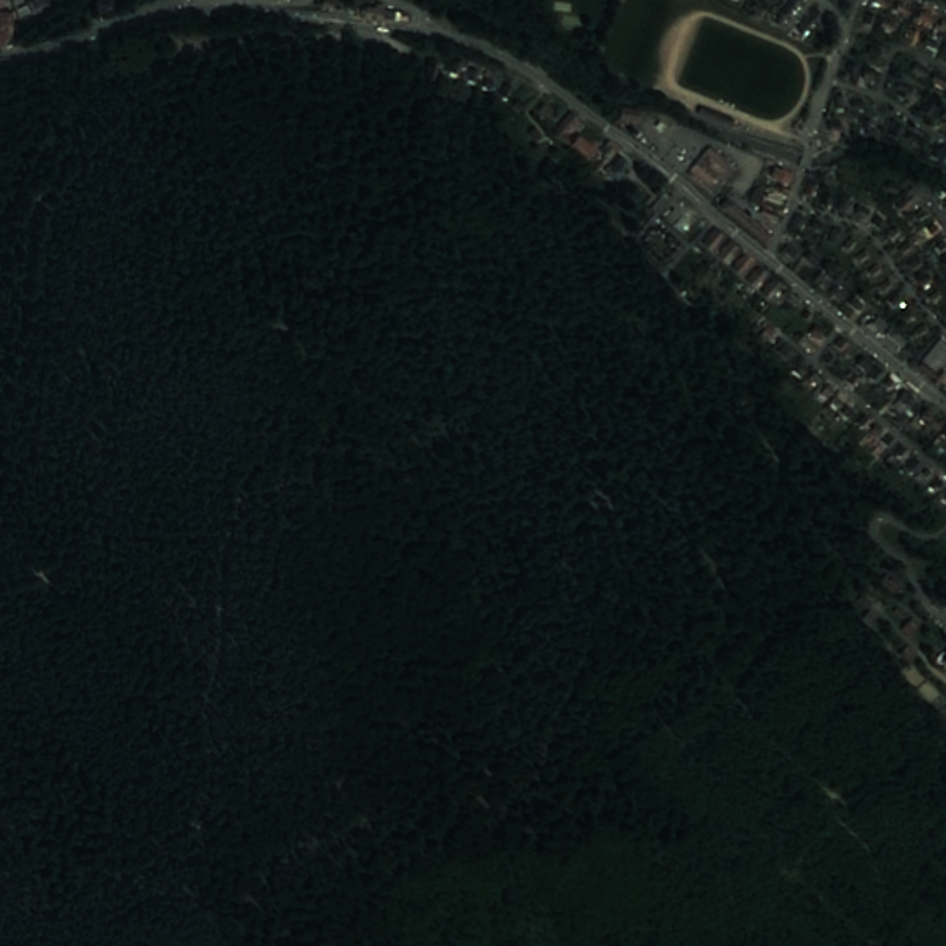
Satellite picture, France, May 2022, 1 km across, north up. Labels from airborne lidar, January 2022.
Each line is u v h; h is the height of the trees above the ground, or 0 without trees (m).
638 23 0
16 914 19
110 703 22
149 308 21
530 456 31
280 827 18
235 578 20
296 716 17
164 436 23
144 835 23
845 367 0
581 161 8
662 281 26
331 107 25
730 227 0
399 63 20
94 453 28
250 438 17
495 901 15
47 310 38
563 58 24
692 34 0
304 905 25
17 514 26
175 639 16
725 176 0
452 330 28
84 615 28
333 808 18
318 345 28
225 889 22
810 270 0
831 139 0
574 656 16
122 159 29
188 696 20
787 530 32
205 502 19
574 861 16
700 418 13
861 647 23
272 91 22
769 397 17
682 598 27
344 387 24
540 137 8
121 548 24
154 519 22
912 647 0
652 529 29
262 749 14
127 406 15
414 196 11
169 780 23
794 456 29
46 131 32
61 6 18
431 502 28
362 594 27
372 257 33
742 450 29
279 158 10
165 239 23
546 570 35
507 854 19
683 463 29
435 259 27
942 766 0
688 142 0
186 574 18
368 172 21
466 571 27
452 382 30
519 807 14
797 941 17
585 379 33
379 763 24
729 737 25
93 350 25
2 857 20
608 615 27
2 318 46
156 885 28
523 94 0
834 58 0
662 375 25
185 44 0
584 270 26
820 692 25
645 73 0
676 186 0
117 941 22
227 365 20
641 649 29
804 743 26
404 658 23
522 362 25
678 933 14
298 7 0
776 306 0
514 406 35
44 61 20
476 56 13
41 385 33
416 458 29
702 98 0
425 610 29
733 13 0
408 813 16
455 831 26
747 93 0
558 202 24
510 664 30
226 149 8
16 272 36
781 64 0
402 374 28
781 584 30
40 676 29
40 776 27
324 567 17
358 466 22
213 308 20
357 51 25
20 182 28
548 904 19
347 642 24
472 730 18
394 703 30
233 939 17
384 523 26
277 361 18
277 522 19
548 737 16
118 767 28
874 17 7
